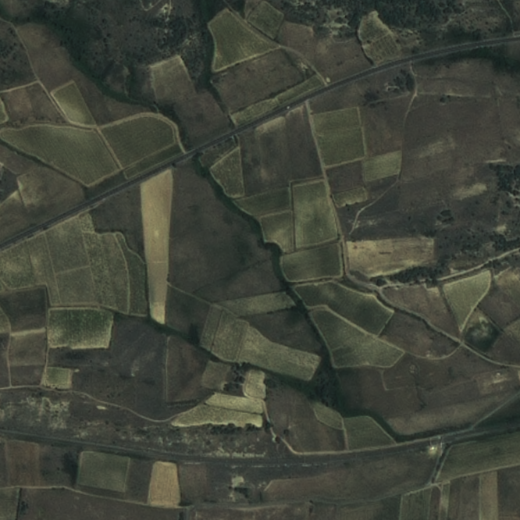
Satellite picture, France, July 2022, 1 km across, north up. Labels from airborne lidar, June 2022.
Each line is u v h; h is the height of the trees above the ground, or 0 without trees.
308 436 0
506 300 0
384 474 0
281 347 0
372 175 0
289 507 0
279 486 0
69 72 0
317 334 7
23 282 0
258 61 0
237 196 0
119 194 0
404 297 0
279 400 0
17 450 0
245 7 0
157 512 0
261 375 0
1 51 7
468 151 0
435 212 0
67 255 0
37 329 0
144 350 0
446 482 0
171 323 0
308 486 0
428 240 0
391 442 0
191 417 0
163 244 0
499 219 0
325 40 0
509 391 0
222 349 0
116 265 0
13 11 0
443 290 0
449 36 0
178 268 0
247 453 0
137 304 0
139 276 0
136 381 0
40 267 0
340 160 0
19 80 0
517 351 0
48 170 0
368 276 0
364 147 0
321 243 0
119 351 0
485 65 0
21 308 0
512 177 8
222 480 0
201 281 0
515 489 0
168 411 0
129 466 0
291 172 0
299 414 0
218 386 0
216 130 0
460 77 0
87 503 0
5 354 0
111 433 0
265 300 0
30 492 0
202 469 0
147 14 0
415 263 0
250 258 0
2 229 0
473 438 0
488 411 0
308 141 0
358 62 0
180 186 0
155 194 0
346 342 0
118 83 0
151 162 0
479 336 0
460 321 0
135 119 0
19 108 0
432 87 0
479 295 0
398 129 0
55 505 0
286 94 0
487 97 0
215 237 0
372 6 13
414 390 0
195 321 0
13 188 0
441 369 0
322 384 7
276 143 0
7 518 0
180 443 0
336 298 0
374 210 0
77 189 0
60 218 0
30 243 0
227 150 0
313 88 0
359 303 0
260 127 0
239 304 0
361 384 0
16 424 0
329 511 0
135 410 0
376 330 0
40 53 0
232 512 0
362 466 0
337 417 0
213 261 0
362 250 0
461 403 0
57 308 0
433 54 0
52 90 0
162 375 0
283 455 0
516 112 0
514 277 0
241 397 0
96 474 0
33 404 0
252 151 0
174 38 8
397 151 0
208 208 0
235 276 0
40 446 0
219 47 0
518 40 0
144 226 0
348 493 0
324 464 0
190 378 0
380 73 0
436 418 0
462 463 0
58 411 0
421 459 0
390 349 0
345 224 0
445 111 0
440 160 0
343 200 0
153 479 0
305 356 0
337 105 0
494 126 0
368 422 0
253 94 0
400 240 0
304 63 0
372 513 0
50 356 0
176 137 0
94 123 0
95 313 0
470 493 0
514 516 0
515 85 0
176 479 0
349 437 0
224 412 0
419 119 0
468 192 0
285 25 0
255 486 0
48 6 7
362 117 0
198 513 0
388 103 0
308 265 0
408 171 0
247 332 0
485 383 0
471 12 0
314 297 0
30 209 0
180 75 0
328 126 0
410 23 10
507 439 0
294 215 0
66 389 0
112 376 0
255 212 0
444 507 0
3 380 0
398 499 0
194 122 0
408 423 0
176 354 0
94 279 0
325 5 8
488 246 0
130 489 0
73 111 0
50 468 0
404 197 0
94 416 0
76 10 0
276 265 6
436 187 0
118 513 0
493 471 0
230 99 0
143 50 7
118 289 0
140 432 0
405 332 0
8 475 0
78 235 0
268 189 0
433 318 0
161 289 0
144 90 0
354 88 0
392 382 0
